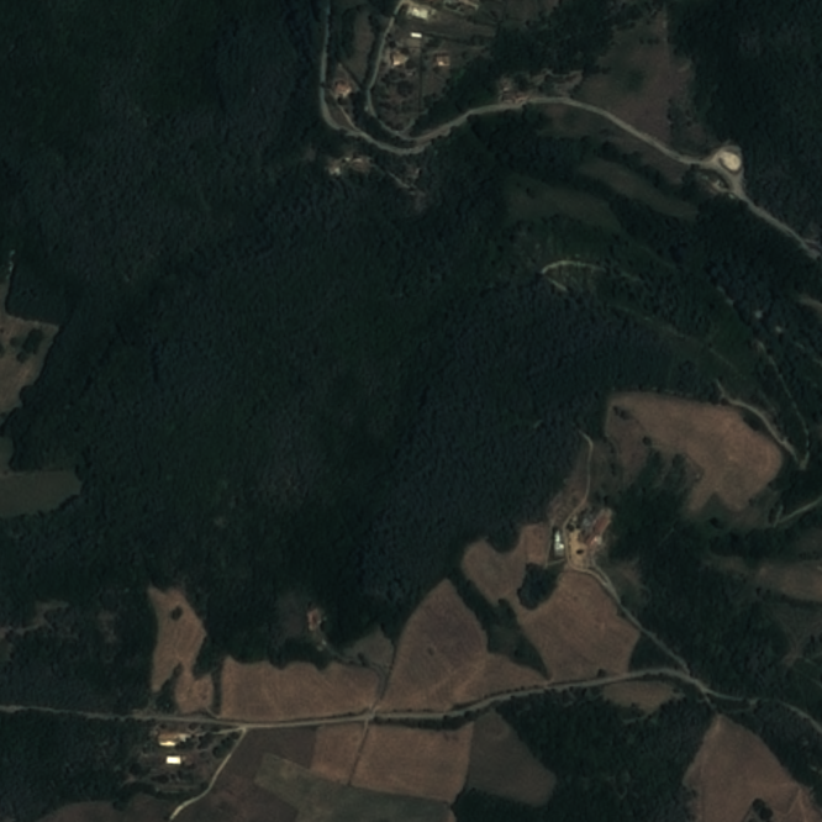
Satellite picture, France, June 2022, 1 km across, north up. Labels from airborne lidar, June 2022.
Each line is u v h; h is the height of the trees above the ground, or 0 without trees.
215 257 17
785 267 21
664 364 19
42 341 10
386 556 21
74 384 27
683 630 8
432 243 18
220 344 16
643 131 0
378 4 10
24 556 18
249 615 15
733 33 19
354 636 11
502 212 18
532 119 17
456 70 7
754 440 0
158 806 0
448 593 0
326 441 15
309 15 17
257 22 15
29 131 18
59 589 16
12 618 13
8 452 0
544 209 0
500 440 17
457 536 10
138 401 22
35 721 16
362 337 20
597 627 0
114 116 17
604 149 11
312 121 7
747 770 0
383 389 16
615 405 0
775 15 17
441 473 23
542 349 23
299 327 20
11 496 0
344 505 17
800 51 8
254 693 0
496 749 0
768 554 10
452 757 0
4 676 13
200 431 13
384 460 18
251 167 22
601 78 0
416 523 17
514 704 10
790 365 11
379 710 0
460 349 25
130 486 16
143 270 14
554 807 7
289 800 0
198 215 15
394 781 0
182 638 0
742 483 0
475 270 15
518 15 0
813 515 18
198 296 22
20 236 13
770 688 7
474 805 7
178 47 14
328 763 0
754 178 8
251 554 11
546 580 13
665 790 16
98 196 16
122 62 16
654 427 0
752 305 32
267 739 0
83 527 19
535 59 17
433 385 25
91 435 19
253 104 26
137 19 15
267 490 8
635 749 12
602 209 0
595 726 16
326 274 20
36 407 32
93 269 21
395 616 12
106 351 24
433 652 0
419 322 17
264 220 19
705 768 0
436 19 0
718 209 14
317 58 16
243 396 17
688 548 7
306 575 10
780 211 11
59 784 13
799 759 11
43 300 18
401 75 7
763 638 10
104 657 9
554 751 7
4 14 13
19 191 23
